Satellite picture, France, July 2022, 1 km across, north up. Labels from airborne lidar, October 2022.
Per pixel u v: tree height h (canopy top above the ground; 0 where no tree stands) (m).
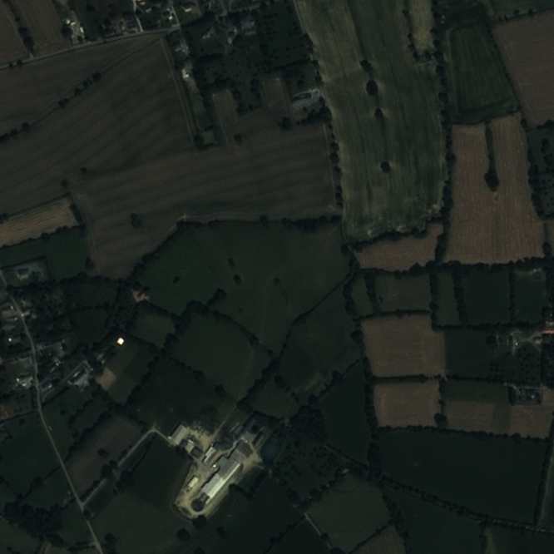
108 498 0
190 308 13
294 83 0
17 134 15
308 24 0
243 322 0
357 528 0
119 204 0
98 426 14
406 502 0
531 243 0
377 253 0
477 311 0
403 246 0
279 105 0
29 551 0
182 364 8
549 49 0
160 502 0
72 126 0
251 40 0
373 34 0
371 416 16
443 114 13
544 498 8
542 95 0
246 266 0
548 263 15
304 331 0
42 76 0
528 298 0
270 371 15
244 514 0
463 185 0
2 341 15
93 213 0
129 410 8
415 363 0
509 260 0
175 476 0
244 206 0
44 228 0
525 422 0
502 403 0
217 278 0
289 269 0
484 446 0
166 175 0
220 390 15
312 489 0
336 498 0
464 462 0
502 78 0
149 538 0
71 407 0
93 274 0
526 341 0
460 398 0
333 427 0
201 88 17
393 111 0
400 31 0
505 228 0
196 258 0
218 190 0
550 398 0
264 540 0
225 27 6
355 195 0
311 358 0
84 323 0
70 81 0
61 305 6
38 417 6
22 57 0
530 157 11
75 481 0
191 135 0
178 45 0
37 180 0
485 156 0
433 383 0
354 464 8
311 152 0
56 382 12
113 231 0
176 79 0
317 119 21
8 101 0
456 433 8
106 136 0
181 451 12
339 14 0
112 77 0
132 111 0
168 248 8
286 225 15
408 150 0
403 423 0
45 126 0
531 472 0
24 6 0
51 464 0
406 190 0
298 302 0
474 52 0
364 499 0
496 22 0
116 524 0
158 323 0
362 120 0
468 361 0
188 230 6
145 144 0
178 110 0
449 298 0
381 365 0
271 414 0
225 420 0
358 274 10
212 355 0
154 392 0
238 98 16
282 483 12
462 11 0
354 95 0
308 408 11
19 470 0
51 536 16
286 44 0
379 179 0
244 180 0
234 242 0
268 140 0
